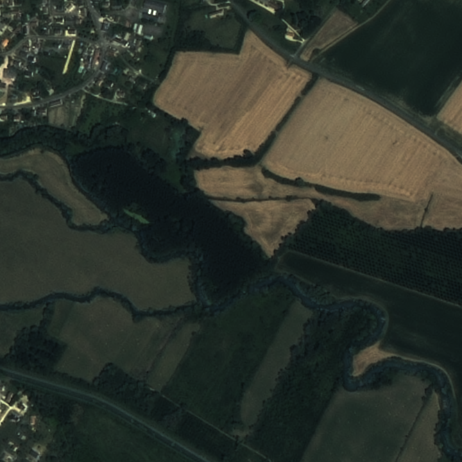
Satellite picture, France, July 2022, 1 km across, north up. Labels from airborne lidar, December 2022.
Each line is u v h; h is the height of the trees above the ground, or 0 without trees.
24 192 0
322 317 9
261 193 0
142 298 0
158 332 0
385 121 0
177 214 37
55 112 0
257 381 0
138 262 0
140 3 0
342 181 0
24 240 0
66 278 0
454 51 0
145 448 0
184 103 0
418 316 0
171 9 0
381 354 0
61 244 0
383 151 0
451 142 0
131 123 0
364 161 0
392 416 0
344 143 0
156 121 0
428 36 0
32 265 0
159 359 0
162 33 0
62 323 0
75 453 9
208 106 0
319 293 22
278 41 0
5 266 0
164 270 0
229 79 0
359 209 0
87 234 0
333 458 0
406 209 0
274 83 0
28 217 0
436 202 0
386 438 0
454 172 0
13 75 0
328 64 0
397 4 0
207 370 0
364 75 0
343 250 12
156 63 0
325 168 0
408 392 0
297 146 0
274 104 0
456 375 0
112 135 23
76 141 9
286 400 9
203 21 0
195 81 0
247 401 0
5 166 0
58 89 13
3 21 7
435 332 0
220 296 32
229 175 0
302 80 0
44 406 21
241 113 0
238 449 11
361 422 0
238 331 0
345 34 0
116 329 0
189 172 15
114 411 0
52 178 0
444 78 0
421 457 0
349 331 7
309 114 0
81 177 34
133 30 7
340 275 0
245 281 20
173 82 0
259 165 0
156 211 38
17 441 0
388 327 0
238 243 38
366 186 0
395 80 0
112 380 8
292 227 0
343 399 0
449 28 0
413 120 0
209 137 0
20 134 13
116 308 0
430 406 0
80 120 8
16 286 0
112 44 0
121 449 0
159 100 0
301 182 19
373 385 13
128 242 0
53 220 0
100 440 0
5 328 0
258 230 0
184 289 0
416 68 0
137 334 0
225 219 13
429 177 0
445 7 0
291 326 0
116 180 37
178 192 28
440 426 14
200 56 0
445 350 0
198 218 37
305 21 26
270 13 0
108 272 0
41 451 0
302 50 0
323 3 0
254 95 0
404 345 0
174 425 27
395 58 0
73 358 0
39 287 0
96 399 0
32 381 0
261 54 0
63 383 0
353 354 10
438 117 0
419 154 0
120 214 12
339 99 0
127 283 0
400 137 0
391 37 0
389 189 0
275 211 0
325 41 0
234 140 0
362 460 0
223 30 0
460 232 8
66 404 8
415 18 0
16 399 13
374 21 0
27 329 14
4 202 0
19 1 12
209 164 23
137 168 37
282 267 0
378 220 0
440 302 0
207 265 23
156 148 0
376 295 0
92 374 0
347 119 0
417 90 0
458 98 0
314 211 9
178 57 0
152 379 0
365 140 0
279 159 0
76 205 0
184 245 33
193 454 0
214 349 0
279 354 0
